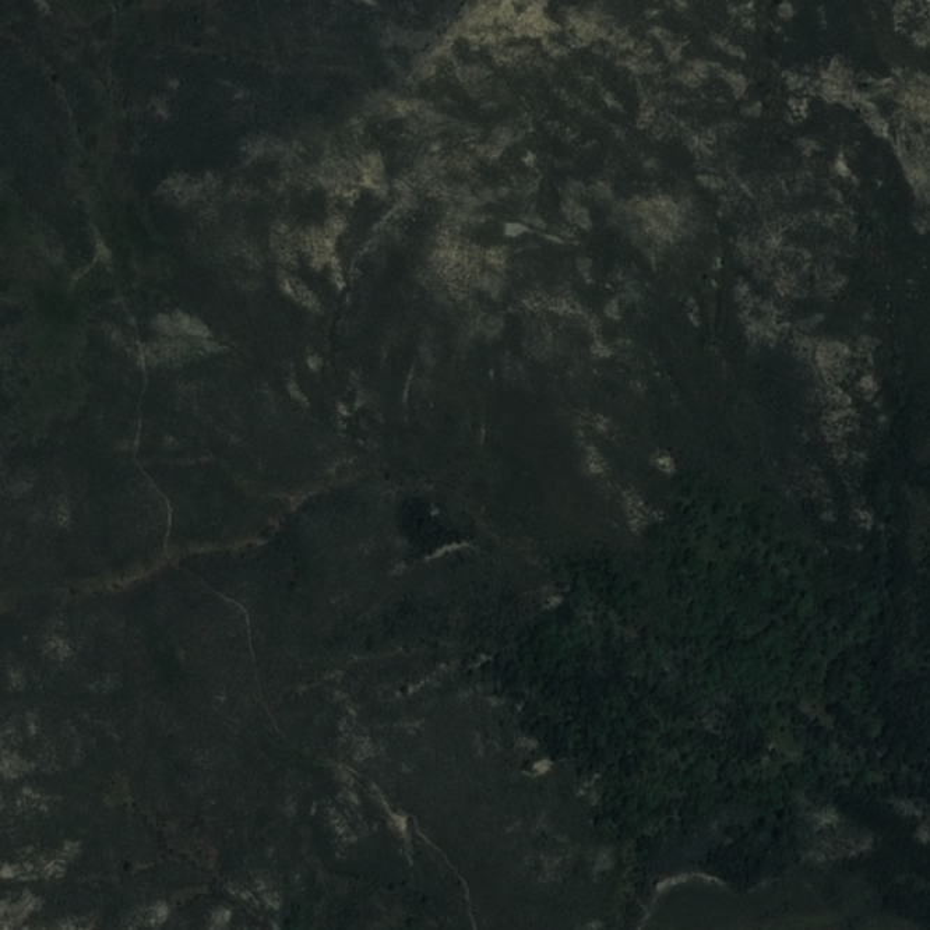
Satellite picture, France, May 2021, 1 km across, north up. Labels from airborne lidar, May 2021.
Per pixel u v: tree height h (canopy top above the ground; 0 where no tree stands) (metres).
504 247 0
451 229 0
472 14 0
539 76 0
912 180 0
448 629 7
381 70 0
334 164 0
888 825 9
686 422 0
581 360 0
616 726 13
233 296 0
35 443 0
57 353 0
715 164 0
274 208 0
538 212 0
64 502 0
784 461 6
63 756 0
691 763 22
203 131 0
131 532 0
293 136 0
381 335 0
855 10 0
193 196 0
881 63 0
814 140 0
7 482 0
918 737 10
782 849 6
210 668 0
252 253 0
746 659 26
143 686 0
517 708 8
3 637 0
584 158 0
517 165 0
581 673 11
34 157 0
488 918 0
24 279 0
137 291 0
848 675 18
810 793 7
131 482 0
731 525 10
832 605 16
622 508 0
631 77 0
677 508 8
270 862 0
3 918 0
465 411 0
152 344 0
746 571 11
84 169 0
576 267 0
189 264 0
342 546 0
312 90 0
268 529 8
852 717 13
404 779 0
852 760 15
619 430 0
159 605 0
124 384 0
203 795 0
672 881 0
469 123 0
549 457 0
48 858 0
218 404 0
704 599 22
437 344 0
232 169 0
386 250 0
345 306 0
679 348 0
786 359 0
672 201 0
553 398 0
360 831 0
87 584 0
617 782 9
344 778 0
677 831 8
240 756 0
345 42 0
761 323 0
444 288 0
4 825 0
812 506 7
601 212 0
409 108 0
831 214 0
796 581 19
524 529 0
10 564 0
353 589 0
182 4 0
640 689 13
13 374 0
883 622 12
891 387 8
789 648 6
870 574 6
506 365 0
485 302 0
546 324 0
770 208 0
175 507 0
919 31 0
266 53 0
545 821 0
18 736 0
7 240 0
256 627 0
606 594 9
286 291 0
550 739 13
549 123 0
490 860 0
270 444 0
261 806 0
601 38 0
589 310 0
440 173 0
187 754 0
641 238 0
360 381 0
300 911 13
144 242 0
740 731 9
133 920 0
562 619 12
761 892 0
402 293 0
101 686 0
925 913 8
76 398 0
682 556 12
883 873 6
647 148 0
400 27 0
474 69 0
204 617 0
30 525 0
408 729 0
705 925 0
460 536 8
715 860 9
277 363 0
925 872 9
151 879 0
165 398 0
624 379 0
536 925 0
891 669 12
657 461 0
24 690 0
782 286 0
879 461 7
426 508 9
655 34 0
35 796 0
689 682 15
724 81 0
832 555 7
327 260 0
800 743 13
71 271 0
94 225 0
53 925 0
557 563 6
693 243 0
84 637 0
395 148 0
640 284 0
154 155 0
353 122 0
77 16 0
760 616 6
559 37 0
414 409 0
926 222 0
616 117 0
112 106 0
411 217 0
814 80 0
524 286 0
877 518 8
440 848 0
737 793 10
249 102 0
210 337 0
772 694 21
